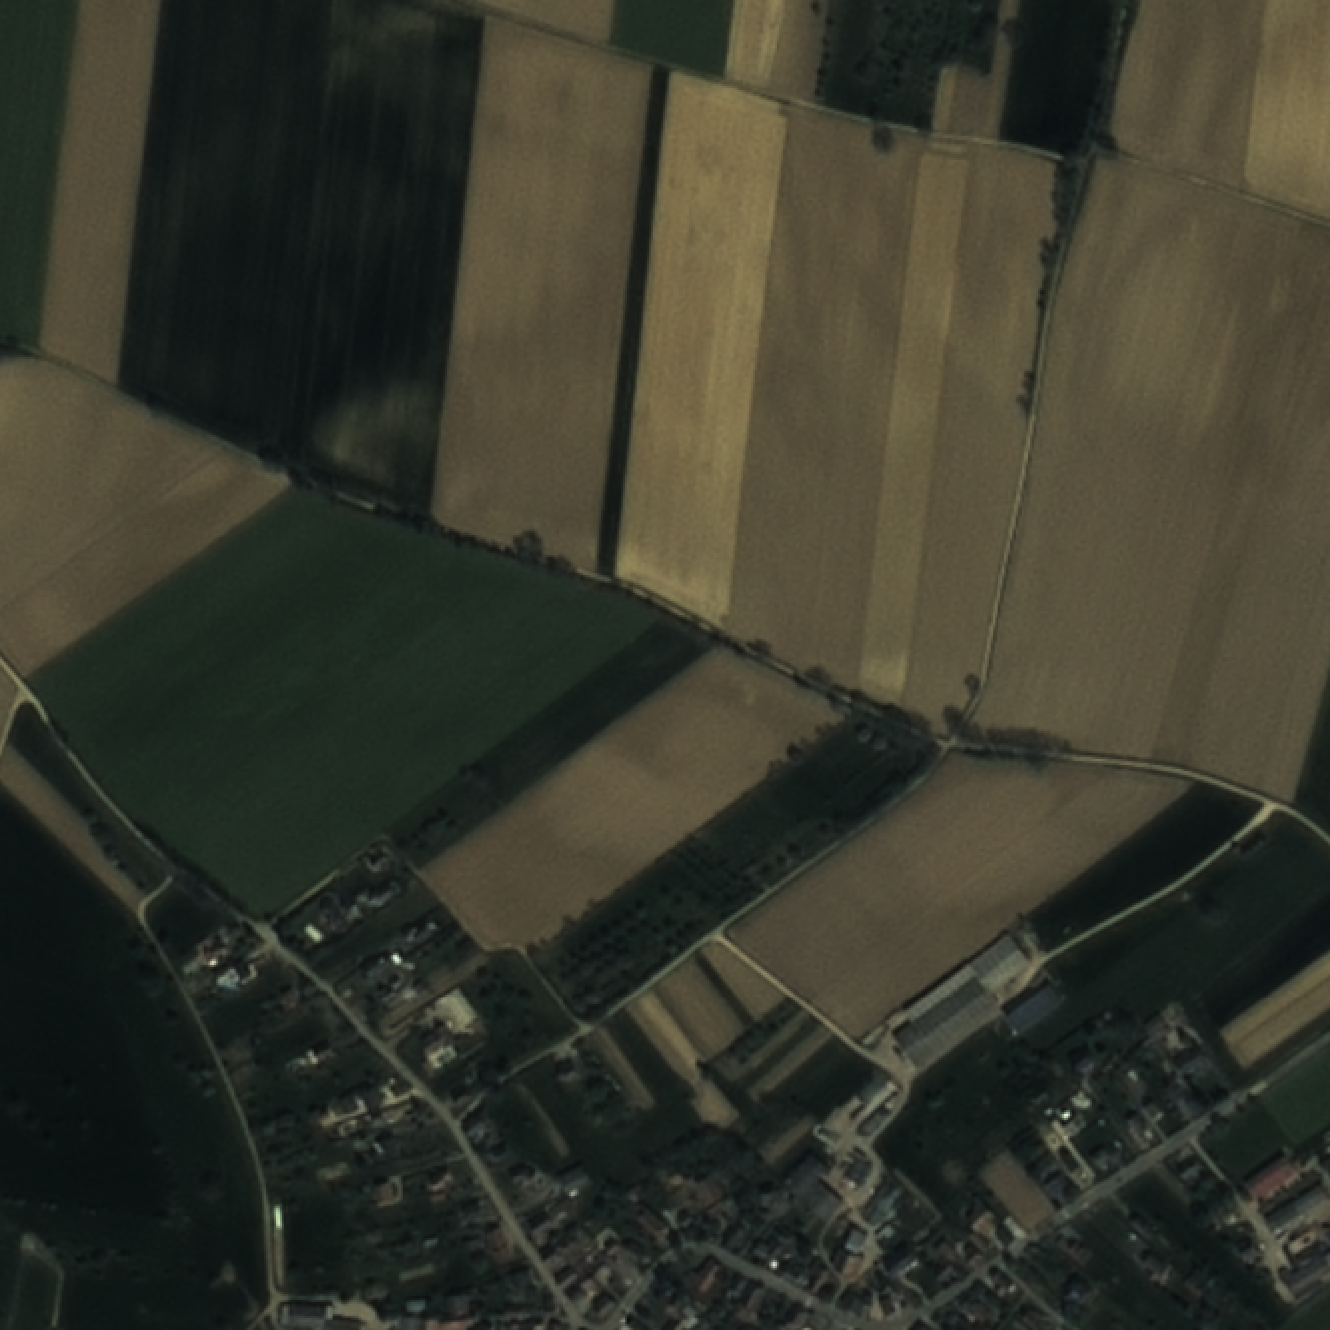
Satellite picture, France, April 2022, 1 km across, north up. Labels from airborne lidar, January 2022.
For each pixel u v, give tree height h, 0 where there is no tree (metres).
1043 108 0
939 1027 0
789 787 0
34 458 0
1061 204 12
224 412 0
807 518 0
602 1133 0
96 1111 0
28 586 0
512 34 0
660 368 0
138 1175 0
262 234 0
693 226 0
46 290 0
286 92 0
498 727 0
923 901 0
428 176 0
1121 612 0
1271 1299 0
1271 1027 0
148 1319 0
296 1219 0
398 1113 0
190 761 0
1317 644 0
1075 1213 0
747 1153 13
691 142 0
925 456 0
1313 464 0
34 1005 0
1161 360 0
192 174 0
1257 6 0
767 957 0
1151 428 0
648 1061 0
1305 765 0
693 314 0
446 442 0
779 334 0
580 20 0
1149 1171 0
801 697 0
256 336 0
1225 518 0
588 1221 0
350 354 0
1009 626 0
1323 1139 0
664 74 0
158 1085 0
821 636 0
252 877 0
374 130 0
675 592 0
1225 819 0
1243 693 0
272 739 0
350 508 0
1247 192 0
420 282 0
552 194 0
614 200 0
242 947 8
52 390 0
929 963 0
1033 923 0
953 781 0
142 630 0
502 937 0
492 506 0
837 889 0
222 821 0
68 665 0
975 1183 0
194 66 0
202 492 0
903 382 0
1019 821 0
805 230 0
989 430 0
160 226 0
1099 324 0
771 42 0
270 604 0
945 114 0
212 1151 0
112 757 0
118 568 0
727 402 0
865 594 0
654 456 0
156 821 0
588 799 0
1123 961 0
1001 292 0
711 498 0
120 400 0
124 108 0
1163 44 0
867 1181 0
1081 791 0
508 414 0
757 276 0
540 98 0
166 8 0
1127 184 0
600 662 0
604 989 10
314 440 0
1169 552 0
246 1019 0
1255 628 0
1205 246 0
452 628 0
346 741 0
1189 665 0
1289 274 0
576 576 12
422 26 0
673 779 0
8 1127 0
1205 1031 0
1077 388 0
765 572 0
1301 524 0
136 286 0
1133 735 0
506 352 0
